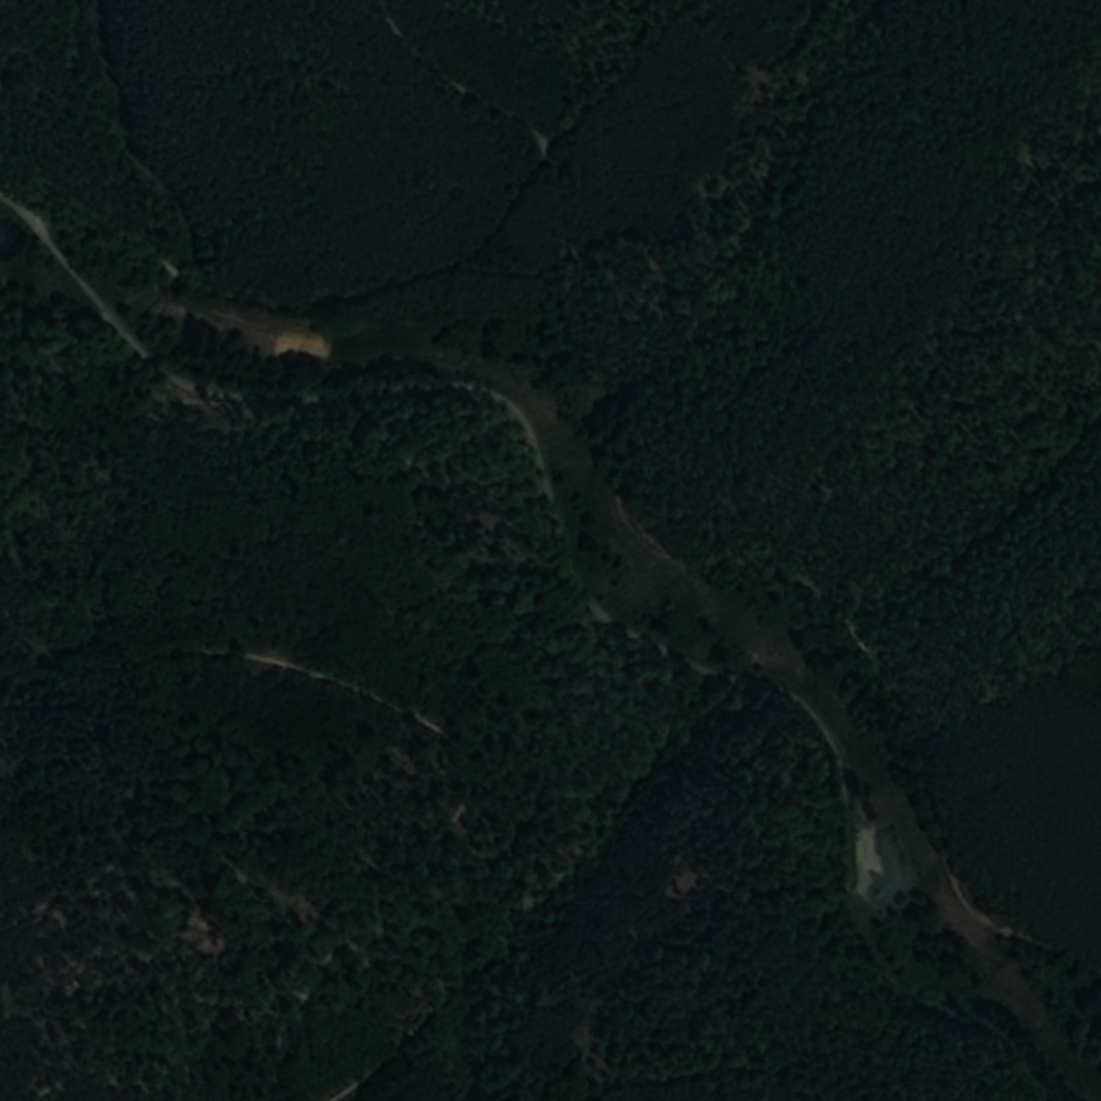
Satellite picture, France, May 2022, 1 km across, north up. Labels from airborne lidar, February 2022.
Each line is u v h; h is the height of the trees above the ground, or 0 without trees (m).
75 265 15
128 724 23
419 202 22
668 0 27
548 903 12
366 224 23
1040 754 17
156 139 28
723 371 29
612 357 30
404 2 13
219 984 24
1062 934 21
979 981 17
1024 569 32
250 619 11
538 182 21
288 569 12
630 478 33
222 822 26
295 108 22
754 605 6
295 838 26
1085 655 19
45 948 9
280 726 13
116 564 9
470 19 15
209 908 33
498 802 26
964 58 29
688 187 14
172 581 11
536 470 33
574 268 33
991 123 27
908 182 29
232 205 25
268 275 17
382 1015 8
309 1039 13
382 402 24
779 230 27
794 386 32
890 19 32
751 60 7
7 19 18
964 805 18
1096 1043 23
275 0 20
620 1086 13
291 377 27
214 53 27
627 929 9
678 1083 15
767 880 16
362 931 24
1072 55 24
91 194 18
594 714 31
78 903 7
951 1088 15
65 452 12
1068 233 37
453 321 21
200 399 0
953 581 21
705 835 32
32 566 24
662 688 15
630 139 19
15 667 25
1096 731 20
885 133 27
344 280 18
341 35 21
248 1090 11
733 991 16
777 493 31
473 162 21
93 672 26
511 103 17
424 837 27
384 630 14
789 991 25
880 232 29
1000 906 19
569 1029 13
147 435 18
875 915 0
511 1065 28
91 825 11
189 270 20
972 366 33
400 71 23
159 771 27
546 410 0
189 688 13
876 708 30
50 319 33
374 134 21
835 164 32
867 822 0
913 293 29
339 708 13
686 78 16
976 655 27
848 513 31
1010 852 16
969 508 34
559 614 29
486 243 17
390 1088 16
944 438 21
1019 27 28
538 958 14
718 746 35
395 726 11
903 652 25
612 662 27
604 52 30
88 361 31
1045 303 30
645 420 32
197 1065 28
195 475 10
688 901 6
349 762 26
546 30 26
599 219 18
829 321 29
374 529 15
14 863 12
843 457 28
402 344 0
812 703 0
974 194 28
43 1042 7
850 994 27
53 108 24
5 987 31
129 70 23
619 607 0
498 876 33
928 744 18
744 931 26
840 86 37
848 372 26
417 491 18
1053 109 27
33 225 0
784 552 31
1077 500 30
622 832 10
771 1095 22
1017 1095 25
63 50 21
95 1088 12
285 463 10
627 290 31
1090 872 17
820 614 30
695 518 22
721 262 32
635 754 28
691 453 33
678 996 29
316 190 19
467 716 10
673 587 0
